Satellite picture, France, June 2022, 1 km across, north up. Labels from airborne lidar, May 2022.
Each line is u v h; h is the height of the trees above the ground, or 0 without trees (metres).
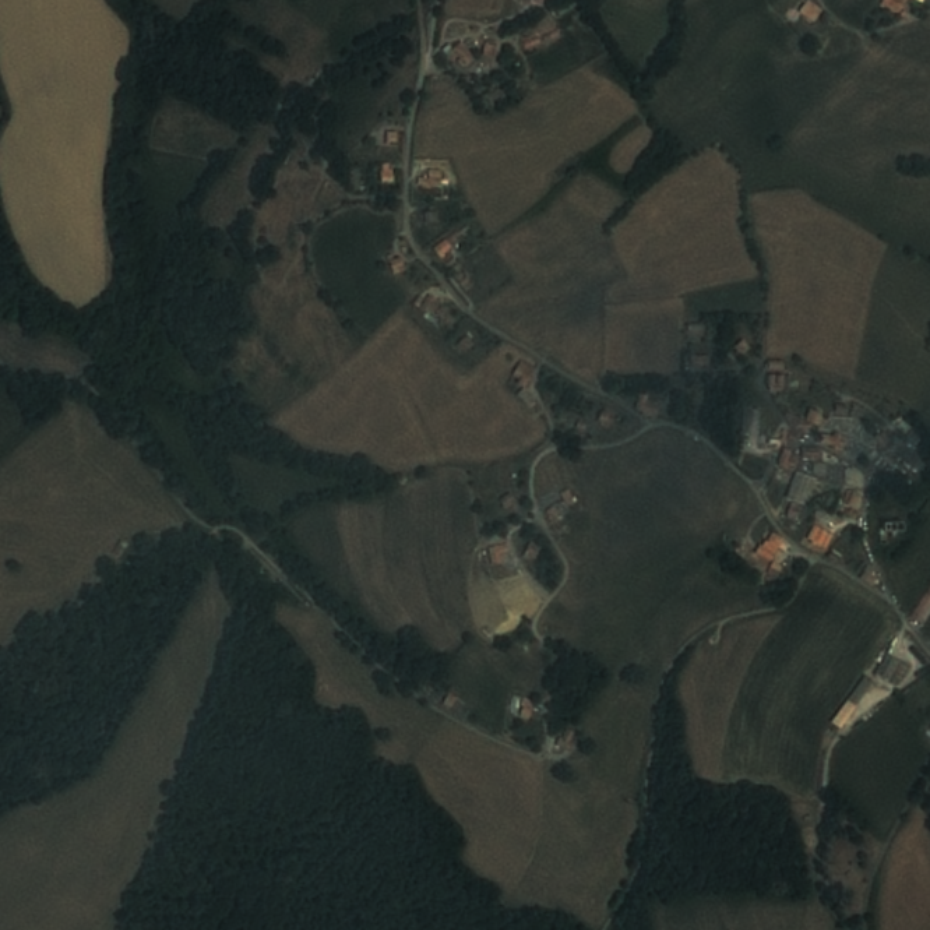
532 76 0
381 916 15
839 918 11
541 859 0
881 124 0
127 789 0
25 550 0
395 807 20
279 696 20
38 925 0
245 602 14
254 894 22
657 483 0
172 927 21
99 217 0
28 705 26
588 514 0
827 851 17
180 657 0
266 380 0
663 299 0
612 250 0
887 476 20
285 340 0
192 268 13
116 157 10
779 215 0
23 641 15
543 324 0
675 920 0
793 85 0
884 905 0
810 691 0
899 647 0
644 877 16
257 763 18
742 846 18
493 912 22
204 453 10
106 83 0
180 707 0
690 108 0
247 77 24
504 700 0
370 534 0
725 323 16
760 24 0
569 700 17
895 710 0
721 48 0
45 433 0
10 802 11
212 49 21
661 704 9
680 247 0
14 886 0
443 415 0
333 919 17
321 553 0
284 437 18
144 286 7
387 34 12
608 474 0
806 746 0
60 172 0
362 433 0
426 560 0
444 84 0
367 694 0
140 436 21
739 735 0
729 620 0
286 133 13
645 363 0
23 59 0
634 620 0
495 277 0
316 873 18
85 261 0
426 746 0
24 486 0
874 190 0
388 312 0
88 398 15
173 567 19
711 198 0
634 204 8
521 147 0
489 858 0
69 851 0
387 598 0
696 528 0
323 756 19
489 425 0
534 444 0
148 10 10
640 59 0
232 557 17
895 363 0
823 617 0
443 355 0
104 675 21
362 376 0
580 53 0
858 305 0
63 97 0
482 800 0
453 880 17
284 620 0
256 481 0
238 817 21
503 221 0
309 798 19
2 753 16
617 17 0
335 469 20
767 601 18
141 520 0
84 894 0
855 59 0
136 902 19
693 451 0
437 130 0
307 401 0
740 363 16
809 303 0
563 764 11
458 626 0
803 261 0
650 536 0
